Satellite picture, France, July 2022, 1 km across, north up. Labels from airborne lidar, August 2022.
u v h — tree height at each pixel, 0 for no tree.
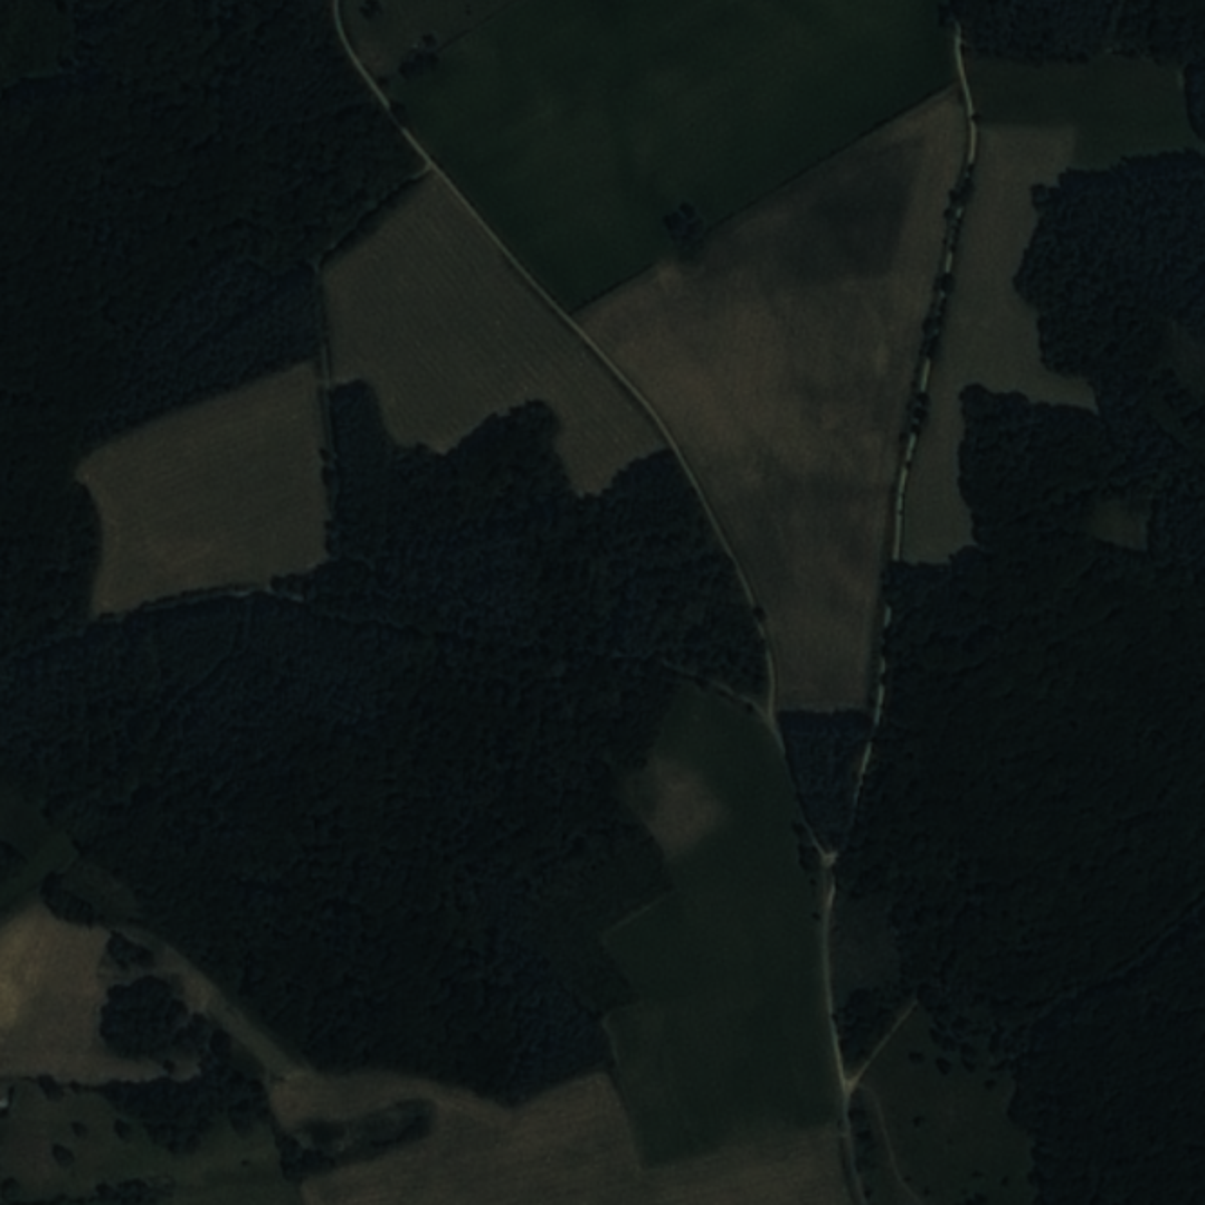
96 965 0
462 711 23
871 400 0
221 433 0
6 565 19
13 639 10
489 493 12
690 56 0
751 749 0
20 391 22
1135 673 17
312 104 18
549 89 0
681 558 12
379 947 22
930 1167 0
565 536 13
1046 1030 16
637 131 0
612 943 0
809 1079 0
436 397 0
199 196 27
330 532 12
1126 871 19
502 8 0
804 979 0
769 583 0
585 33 0
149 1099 20
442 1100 0
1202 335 23
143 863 26
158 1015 19
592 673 19
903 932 8
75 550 16
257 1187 0
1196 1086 15
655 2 0
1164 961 17
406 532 20
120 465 0
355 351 0
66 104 25
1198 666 16
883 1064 0
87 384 25
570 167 0
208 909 23
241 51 11
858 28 0
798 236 0
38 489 26
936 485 0
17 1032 0
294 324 26
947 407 0
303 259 7
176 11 29
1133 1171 16
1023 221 0
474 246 0
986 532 19
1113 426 25
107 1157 0
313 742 28
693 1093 0
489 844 17
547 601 7
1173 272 25
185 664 23
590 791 19
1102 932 18
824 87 0
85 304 26
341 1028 20
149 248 27
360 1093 0
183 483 0
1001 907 15
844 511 0
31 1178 0
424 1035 25
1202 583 18
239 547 0
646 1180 0
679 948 0
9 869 18
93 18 24
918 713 17
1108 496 13
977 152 0
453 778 22
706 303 0
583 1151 0
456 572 23
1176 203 25
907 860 17
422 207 0
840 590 0
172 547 0
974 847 20
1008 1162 0
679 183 0
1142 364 17
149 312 29
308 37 8
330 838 18
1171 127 0
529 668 18
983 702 19
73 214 24
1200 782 14
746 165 0
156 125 27
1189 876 18
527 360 0
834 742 12
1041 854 14
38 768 20
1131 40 12
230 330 29
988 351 0
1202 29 20
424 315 0
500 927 20
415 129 0
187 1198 0
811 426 0
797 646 0
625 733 18
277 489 0
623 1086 0
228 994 0
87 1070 0
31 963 0
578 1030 22
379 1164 0
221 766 29
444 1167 0
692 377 0
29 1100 0
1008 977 19
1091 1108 20
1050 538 18
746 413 0
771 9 0
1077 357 13
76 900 7
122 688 22
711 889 0
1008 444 20
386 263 0
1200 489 15
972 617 13
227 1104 6
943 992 7
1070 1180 17
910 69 0
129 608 0
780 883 0
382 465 22
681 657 12
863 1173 10
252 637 22
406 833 25
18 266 26
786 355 0
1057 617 17
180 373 23
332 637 27
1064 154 0
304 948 26
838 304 0
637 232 0
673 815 0
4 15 27
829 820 23
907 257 0
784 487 0
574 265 0
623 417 0
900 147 0
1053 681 14
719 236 0
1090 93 0
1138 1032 21
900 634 14
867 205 0
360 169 12
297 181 11
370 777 26
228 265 28
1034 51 16
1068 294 20
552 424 9
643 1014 0
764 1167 0
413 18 0
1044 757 14
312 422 0
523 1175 0
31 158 27
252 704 22
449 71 0
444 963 24
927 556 0
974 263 0
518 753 26
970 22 23
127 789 20
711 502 0
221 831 31
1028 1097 11
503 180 0
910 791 19
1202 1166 20
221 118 21
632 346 0
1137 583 19
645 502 15
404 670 26
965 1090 0
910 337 0
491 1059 27
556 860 17
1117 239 20
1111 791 16
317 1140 0
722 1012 0
